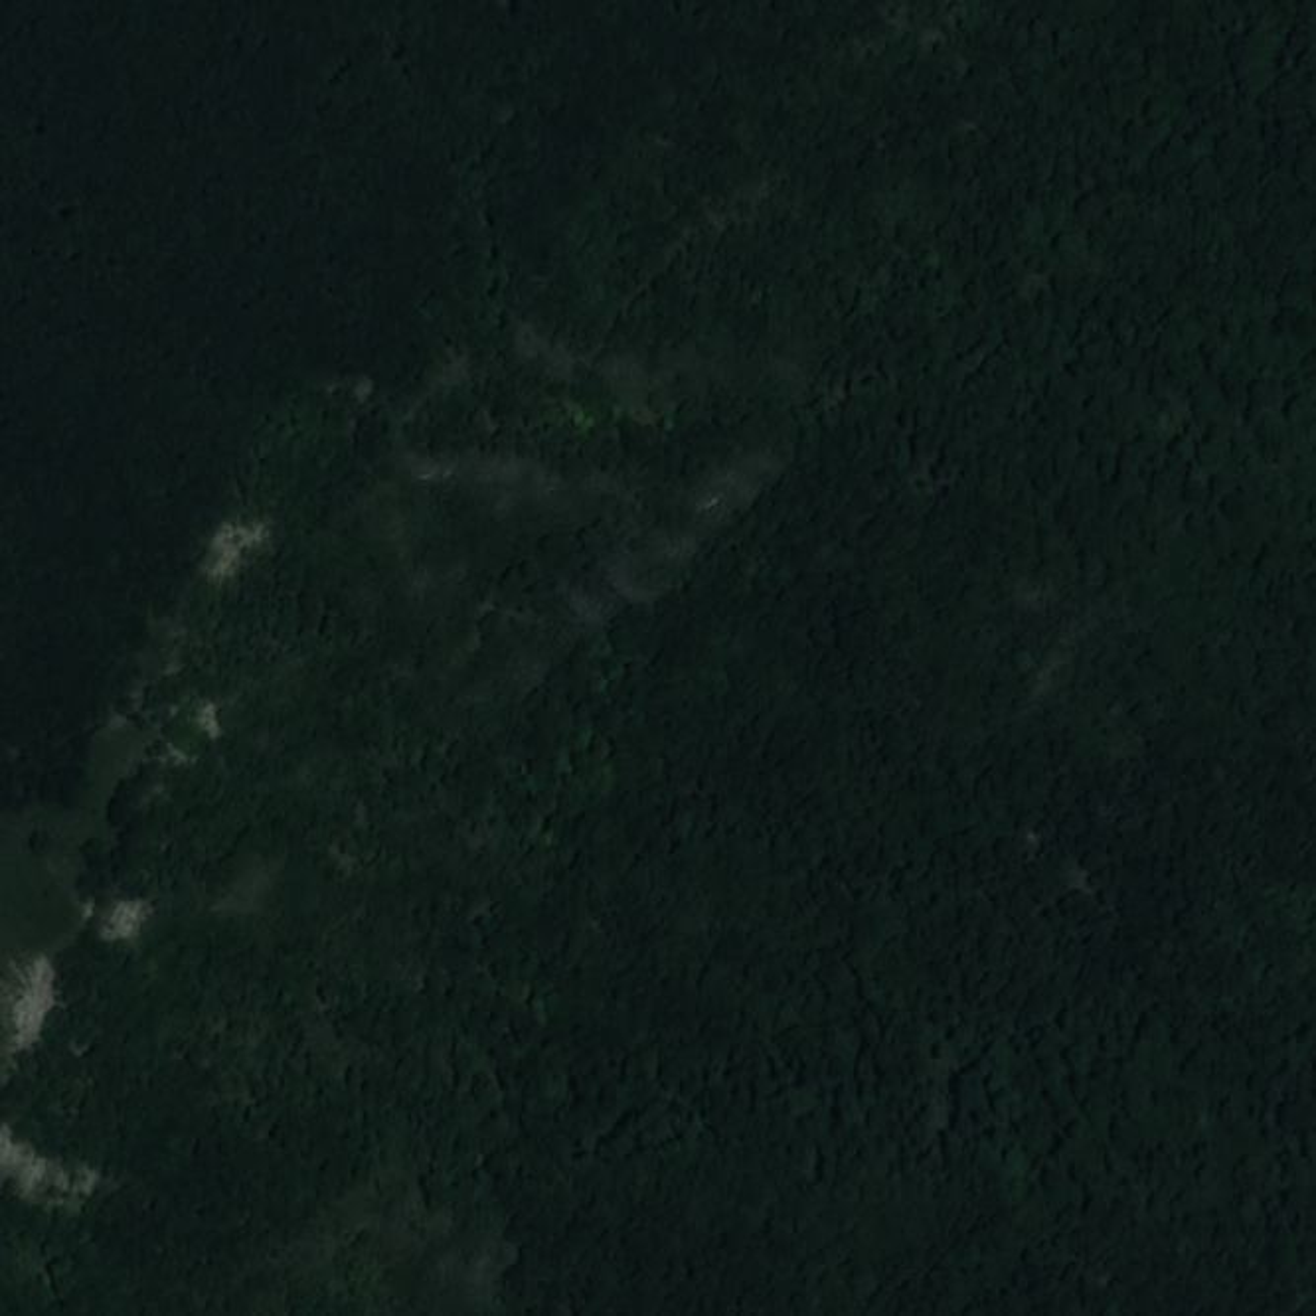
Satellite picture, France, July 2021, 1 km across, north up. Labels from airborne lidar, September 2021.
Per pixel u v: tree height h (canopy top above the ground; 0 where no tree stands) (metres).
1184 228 22
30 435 19
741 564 27
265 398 18
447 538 6
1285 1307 25
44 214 25
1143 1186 15
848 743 11
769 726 27
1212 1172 25
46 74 22
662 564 12
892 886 6
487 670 9
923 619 9
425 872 12
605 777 32
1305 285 30
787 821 19
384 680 18
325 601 21
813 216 15
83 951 12
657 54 22
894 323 26
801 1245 25
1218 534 21
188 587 12
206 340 14
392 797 24
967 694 10
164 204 18
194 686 15
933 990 8
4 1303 12
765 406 23
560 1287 35
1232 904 21
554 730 26
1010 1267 10
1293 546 9
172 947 25
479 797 24
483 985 27
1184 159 29
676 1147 30
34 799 12
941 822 10
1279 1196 8
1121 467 27
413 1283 5
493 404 21
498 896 20
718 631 26
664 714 24
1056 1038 34
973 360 23
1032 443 21
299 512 17
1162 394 27
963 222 14
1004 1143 38
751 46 22
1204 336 7
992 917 32
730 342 15
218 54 21
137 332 20
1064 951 19
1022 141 23
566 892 23
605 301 16
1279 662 25
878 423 33
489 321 28
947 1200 28
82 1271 26
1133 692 21
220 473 19
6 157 23
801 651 24
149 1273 20
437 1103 25
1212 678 17
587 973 24
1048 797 9
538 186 23
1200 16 10
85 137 23
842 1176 17
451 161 17
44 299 19
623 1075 15
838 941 10
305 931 10
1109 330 11
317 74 19
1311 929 22
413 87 20
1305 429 9
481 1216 7
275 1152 27
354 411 18
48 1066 17
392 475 14
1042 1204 11
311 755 13
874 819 24
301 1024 17
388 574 7
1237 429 9
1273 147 14
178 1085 17
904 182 21
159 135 21
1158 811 22
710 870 21
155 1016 22
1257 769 17
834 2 23
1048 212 25
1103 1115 35
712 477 11
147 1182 17
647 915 22
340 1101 26
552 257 13
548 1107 33
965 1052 34
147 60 22
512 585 30
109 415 19
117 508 16
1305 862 15
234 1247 20
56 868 0
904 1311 22
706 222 23
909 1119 32
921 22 17
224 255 22
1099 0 28
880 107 23
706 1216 30
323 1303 24
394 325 17
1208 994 24
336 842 22
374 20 17
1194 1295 19
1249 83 32
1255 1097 11
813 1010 11
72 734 16
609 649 16
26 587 15
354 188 19
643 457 23
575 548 8
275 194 15
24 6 24
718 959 26
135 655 10
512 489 8
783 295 29
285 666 16
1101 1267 23
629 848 26
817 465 17
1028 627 13
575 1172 30
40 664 17
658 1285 36
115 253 19
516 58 21
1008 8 29
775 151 26
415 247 19
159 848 10
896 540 25
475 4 27
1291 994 31
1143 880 26
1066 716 11
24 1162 0
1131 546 23
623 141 20
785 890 14
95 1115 19
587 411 18
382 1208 13
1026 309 21
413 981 13
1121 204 27
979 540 24
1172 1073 31
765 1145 33
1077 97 24
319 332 16
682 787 28
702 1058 28
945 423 27
